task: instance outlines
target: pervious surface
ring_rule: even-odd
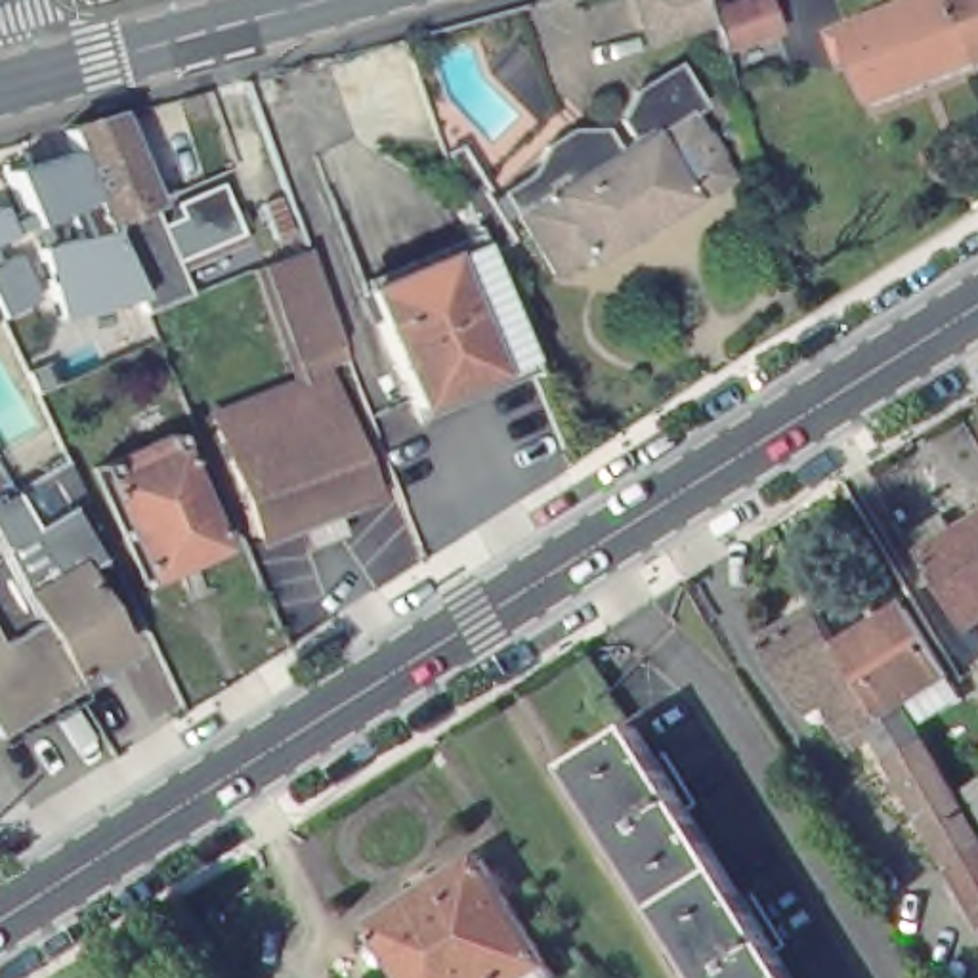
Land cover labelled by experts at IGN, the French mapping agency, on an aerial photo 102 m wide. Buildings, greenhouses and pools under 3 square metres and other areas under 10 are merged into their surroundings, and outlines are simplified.
[[[457,861],[481,860],[481,848],[493,837],[508,833],[493,814],[474,833],[458,833],[447,852],[428,852],[420,844],[405,875],[393,882],[393,890],[367,894],[351,909],[325,909],[313,894],[309,875],[298,863],[294,829],[271,840],[267,848],[283,898],[294,913],[294,932],[287,940],[283,967],[271,978],[367,978],[359,951],[371,947],[367,921]]]
[[[959,630],[940,607],[940,600],[928,588],[921,588],[913,565],[917,531],[902,520],[894,523],[877,489],[867,485],[856,481],[848,497],[833,500],[844,516],[856,516],[848,531],[852,539],[871,542],[879,562],[898,579],[898,592],[890,604],[913,619],[917,634],[940,661],[944,680],[955,695],[970,695],[978,703],[978,627]]]
[[[0,149],[0,180],[15,168],[31,172],[34,164],[69,157],[69,138],[42,134],[34,149]]]
[[[65,298],[61,264],[53,248],[107,237],[103,210],[84,214],[80,225],[50,229],[27,218],[27,229],[19,229],[8,241],[11,248],[34,248],[46,264],[46,309],[57,317],[53,344],[61,355],[80,359],[115,351],[149,340],[157,332],[153,317],[153,302],[138,302],[118,317],[76,317]]]
[[[638,267],[680,271],[688,279],[688,317],[699,325],[691,336],[691,355],[707,355],[711,371],[730,367],[734,359],[726,351],[726,336],[734,336],[760,309],[779,306],[783,325],[806,313],[795,290],[776,287],[756,290],[730,313],[722,313],[718,302],[711,302],[699,287],[695,275],[703,267],[703,233],[734,202],[726,195],[711,195],[712,201],[707,204],[554,285],[585,290],[585,355],[611,371],[634,367],[638,355],[630,348],[611,348],[600,332],[604,298],[630,275]]]

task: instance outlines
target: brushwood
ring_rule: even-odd
[[[776,734],[776,730],[768,726],[768,718],[760,714],[760,707],[753,703],[753,695],[745,691],[745,684],[737,688],[737,695],[741,695],[741,703],[745,703],[749,718],[756,722],[756,730],[760,730],[760,737],[764,737],[764,745],[772,749],[772,756],[776,756],[776,760],[779,760],[779,749],[783,749],[779,734]]]
[[[428,768],[428,749],[393,764],[390,772],[382,772],[378,779],[371,779],[367,787],[359,787],[355,795],[340,798],[321,814],[329,829],[340,829],[359,806],[393,791],[413,772]]]
[[[535,691],[573,672],[585,691],[592,730],[604,730],[623,718],[585,642],[550,665],[539,661],[535,672],[520,672],[523,680],[512,695],[531,699]]]
[[[542,264],[523,245],[516,245],[504,256],[504,267],[523,302],[531,294],[542,294],[550,283]]]
[[[554,416],[565,428],[562,462],[573,466],[607,439],[577,420],[569,390],[550,374],[546,386]]]
[[[520,46],[542,88],[523,103],[535,115],[546,118],[562,111],[562,92],[550,76],[535,15],[523,23]]]
[[[745,99],[753,99],[756,80],[764,80],[776,69],[783,73],[783,80],[798,84],[814,69],[806,57],[776,53],[760,61],[741,61],[741,53],[722,50],[714,34],[691,34],[676,50],[676,57],[691,61],[707,76],[718,111],[722,111],[722,118],[726,118],[726,126],[730,126],[730,134],[734,134],[734,141],[737,141],[737,153],[741,153],[741,157],[760,157],[760,149],[745,107]]]

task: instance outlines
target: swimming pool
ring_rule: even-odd
[[[470,122],[478,122],[481,134],[504,134],[520,103],[489,76],[489,69],[478,69],[470,42],[447,53],[439,65],[443,92],[462,107]]]
[[[73,382],[92,371],[111,371],[111,363],[118,359],[115,351],[80,359],[61,355],[57,355],[57,382]]]
[[[31,413],[15,386],[0,386],[0,439],[8,447],[11,439],[27,436]]]

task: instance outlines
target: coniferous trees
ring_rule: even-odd
[[[844,630],[860,627],[867,607],[890,604],[898,592],[898,579],[879,562],[871,542],[852,539],[848,531],[837,531],[829,520],[818,527],[814,550],[802,554],[798,569],[810,585],[802,596],[810,600],[806,607],[814,611],[814,619],[829,615]]]

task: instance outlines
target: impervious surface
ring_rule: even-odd
[[[833,19],[848,15],[860,0],[776,0],[783,11],[783,46],[776,53],[806,57],[814,69],[829,65],[821,50],[821,31]]]
[[[149,630],[149,588],[141,585],[130,554],[113,560],[111,569],[103,573],[103,585],[122,600],[130,623],[138,630]]]
[[[562,772],[546,772],[546,787],[565,810],[577,840],[585,844],[607,886],[619,894],[623,909],[630,913],[646,951],[653,955],[665,978],[684,978],[676,955],[665,951],[661,936],[649,925],[649,909],[657,905],[653,894],[634,898],[619,882],[615,867],[581,821],[577,806],[569,802]]]
[[[31,470],[65,447],[46,409],[46,393],[42,378],[27,363],[11,332],[11,321],[23,317],[8,306],[0,309],[0,386],[15,386],[31,413],[27,436],[11,439],[8,447],[0,439],[0,451],[19,470]]]
[[[382,138],[428,141],[436,134],[458,141],[466,134],[481,134],[478,122],[470,122],[462,107],[443,92],[443,99],[428,99],[420,84],[420,65],[413,61],[409,46],[436,42],[447,53],[470,42],[478,69],[489,69],[489,76],[520,103],[504,134],[481,134],[481,145],[493,160],[535,115],[523,103],[542,88],[520,46],[523,23],[535,15],[550,76],[562,92],[562,111],[546,118],[539,141],[531,141],[516,160],[500,168],[500,180],[512,180],[527,164],[550,160],[558,134],[569,122],[581,118],[585,126],[596,126],[592,118],[585,118],[588,96],[607,80],[623,80],[627,92],[646,92],[649,69],[665,53],[665,46],[649,31],[634,31],[627,23],[627,8],[634,0],[0,0],[0,149],[34,149],[42,134],[69,138],[76,126],[111,115],[134,115],[145,149],[157,164],[157,176],[168,191],[180,191],[187,199],[210,183],[233,183],[237,199],[245,199],[248,191],[233,164],[218,172],[199,168],[180,103],[210,96],[222,84],[248,80],[264,126],[271,134],[275,157],[283,164],[283,176],[294,191],[294,202],[309,241],[315,256],[340,329],[348,344],[359,344],[359,359],[351,359],[348,371],[367,420],[386,420],[390,481],[382,481],[374,485],[374,504],[348,520],[348,539],[340,542],[264,546],[248,527],[237,535],[248,546],[252,562],[260,588],[290,638],[290,649],[252,669],[241,684],[191,707],[187,718],[164,718],[149,737],[126,745],[126,707],[111,688],[103,688],[92,695],[65,699],[50,714],[27,722],[15,741],[0,737],[0,978],[99,978],[84,955],[73,951],[80,944],[80,905],[92,898],[122,898],[130,905],[145,905],[149,898],[168,902],[172,894],[183,894],[202,879],[222,875],[229,863],[256,860],[267,848],[271,840],[294,829],[321,814],[340,798],[355,795],[359,787],[367,787],[371,779],[378,779],[382,772],[390,772],[393,764],[428,749],[470,714],[478,722],[489,722],[500,711],[508,714],[508,726],[527,760],[539,772],[546,772],[546,760],[562,749],[531,699],[512,695],[523,680],[520,672],[535,672],[539,661],[550,665],[585,642],[623,718],[623,726],[634,734],[638,756],[669,787],[684,833],[718,871],[718,882],[741,913],[741,921],[753,925],[756,944],[768,955],[776,978],[898,978],[886,940],[837,902],[825,867],[795,852],[787,821],[776,810],[768,810],[764,772],[776,760],[776,756],[772,756],[772,749],[764,745],[764,737],[760,737],[760,730],[756,730],[756,722],[749,718],[745,703],[741,703],[741,695],[737,695],[737,688],[745,684],[745,691],[753,695],[753,703],[760,707],[760,714],[768,718],[768,726],[776,730],[776,734],[779,734],[783,749],[818,776],[829,814],[844,825],[863,860],[886,879],[886,905],[898,913],[902,932],[913,936],[913,955],[932,978],[978,978],[978,925],[970,925],[967,909],[959,905],[947,882],[936,886],[921,871],[921,856],[909,852],[905,840],[905,814],[875,802],[875,795],[867,791],[871,776],[863,772],[863,756],[840,753],[829,737],[814,730],[821,726],[821,711],[806,711],[806,726],[787,730],[768,691],[756,684],[779,657],[756,646],[756,630],[749,627],[749,619],[749,604],[756,600],[756,592],[741,577],[745,546],[760,531],[776,523],[795,523],[814,504],[833,500],[848,497],[856,481],[867,485],[871,462],[902,451],[905,443],[917,447],[917,481],[928,485],[932,497],[932,516],[921,523],[921,531],[928,539],[944,535],[944,523],[955,523],[963,508],[978,508],[978,481],[959,470],[959,462],[947,455],[940,439],[928,439],[928,432],[963,409],[978,413],[978,202],[970,202],[963,218],[940,229],[905,256],[890,260],[886,267],[871,271],[867,279],[844,290],[806,313],[783,325],[760,336],[741,359],[734,359],[730,367],[711,371],[661,401],[649,416],[634,420],[630,428],[607,439],[573,466],[562,462],[565,428],[554,416],[546,386],[550,374],[542,359],[523,374],[520,386],[497,397],[462,397],[458,405],[436,416],[428,393],[409,401],[401,393],[401,378],[390,367],[378,340],[374,290],[386,279],[405,279],[447,256],[478,252],[470,229],[458,222],[436,210],[436,199],[413,180],[409,164],[378,149]],[[798,363],[776,378],[764,378],[760,359],[783,344],[798,344]],[[898,436],[886,439],[875,439],[867,428],[860,428],[875,405],[890,401],[894,393],[917,390],[928,405],[925,420],[905,424]],[[722,649],[711,657],[680,627],[680,607],[691,604],[703,611],[707,627],[722,642]],[[466,703],[451,703],[443,691],[455,669],[462,665],[485,669],[493,684]],[[367,745],[367,730],[390,718],[409,718],[413,737],[374,756]],[[202,856],[202,867],[195,875],[180,882],[164,882],[160,875],[153,875],[157,860],[195,844]]]

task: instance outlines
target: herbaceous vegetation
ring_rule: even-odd
[[[745,99],[745,107],[760,149],[779,145],[783,157],[814,180],[818,199],[806,210],[806,252],[814,260],[814,279],[840,283],[844,290],[867,279],[871,271],[886,267],[890,260],[905,256],[940,229],[928,214],[917,210],[917,195],[940,180],[940,164],[925,153],[940,141],[940,130],[947,122],[978,115],[978,73],[963,84],[925,92],[898,115],[867,115],[848,76],[829,65],[814,69],[798,84],[783,80],[783,73],[776,69],[764,80],[756,80],[753,99]]]
[[[546,978],[665,978],[653,955],[646,951],[630,913],[623,909],[619,894],[607,886],[585,844],[577,840],[565,810],[546,787],[546,772],[539,772],[527,760],[508,726],[508,714],[500,711],[489,722],[478,722],[470,714],[428,749],[428,768],[413,772],[393,791],[359,806],[340,829],[329,829],[321,814],[294,829],[298,863],[309,875],[313,894],[325,909],[351,909],[367,894],[393,890],[393,882],[405,875],[420,844],[428,852],[447,852],[458,833],[474,833],[493,814],[508,833],[493,837],[481,848],[481,860],[493,871],[497,890],[516,913],[539,963],[546,967]],[[539,932],[535,925],[546,898],[523,894],[527,867],[558,871],[558,882],[550,886],[550,894],[562,898],[558,932]]]
[[[233,978],[271,978],[283,967],[287,940],[294,932],[294,913],[283,898],[267,848],[256,860],[229,863],[222,875],[202,879],[183,894],[172,894],[168,902],[187,913],[199,913],[214,928],[214,944],[225,951]]]
[[[554,285],[550,283],[542,294],[531,294],[523,302],[542,359],[550,374],[569,390],[577,420],[607,439],[630,428],[634,420],[649,416],[661,401],[634,367],[611,371],[585,355],[585,290]]]
[[[680,627],[711,657],[722,649],[722,642],[707,627],[703,611],[691,604],[680,607]]]
[[[925,718],[921,741],[947,787],[967,787],[978,776],[978,703],[970,695],[955,695],[951,707]]]
[[[749,619],[772,623],[779,619],[791,596],[802,596],[810,585],[798,569],[802,554],[814,550],[818,527],[829,520],[837,531],[848,531],[856,516],[844,516],[833,500],[814,504],[795,523],[776,523],[760,531],[745,546],[741,577],[756,592],[756,600],[749,604]]]
[[[726,336],[726,351],[734,359],[741,359],[760,336],[783,325],[779,306],[760,309],[734,336]]]
[[[649,290],[672,309],[676,332],[691,336],[699,325],[688,317],[688,279],[680,271],[638,267],[630,275],[634,287]]]
[[[588,737],[592,730],[585,691],[573,672],[535,691],[531,699],[562,749]]]
[[[493,160],[500,168],[516,160],[531,141],[539,141],[546,118],[535,115]]]
[[[164,390],[153,397],[153,405],[141,409],[130,397],[126,405],[111,409],[99,424],[73,420],[73,409],[80,401],[103,397],[103,378],[111,371],[92,371],[73,382],[57,382],[46,393],[46,409],[65,447],[80,493],[92,493],[92,470],[122,466],[153,443],[191,436],[206,466],[210,489],[222,504],[225,527],[237,535],[248,527],[245,504],[218,451],[210,416],[248,397],[290,386],[294,374],[283,367],[279,348],[271,340],[271,321],[260,302],[256,275],[302,256],[315,256],[309,241],[279,241],[279,222],[267,191],[283,191],[283,202],[294,202],[294,191],[283,176],[283,164],[275,157],[271,134],[264,126],[248,80],[222,84],[210,96],[180,103],[199,168],[218,172],[233,164],[248,191],[245,199],[237,199],[248,222],[248,241],[237,252],[229,252],[233,267],[218,271],[214,260],[180,267],[180,287],[191,298],[180,298],[153,317],[157,332],[149,340],[115,351],[118,359],[111,363],[111,371],[164,374]]]
[[[905,443],[902,451],[871,462],[867,485],[877,489],[894,523],[902,520],[917,531],[921,531],[921,523],[932,516],[932,497],[928,485],[917,481],[917,447]]]
[[[730,134],[730,126],[726,126],[726,118],[722,118],[722,111],[718,111],[714,111],[714,115],[707,115],[707,130],[714,134],[718,149],[726,153],[726,164],[734,168],[737,168],[737,160],[741,160],[741,157],[741,153],[737,153],[737,141],[734,141],[734,134]]]
[[[959,462],[959,470],[978,481],[978,413],[963,409],[928,432],[928,439],[940,439],[947,455]]]
[[[290,649],[290,638],[260,588],[252,562],[225,558],[187,577],[183,585],[149,588],[149,630],[180,684],[183,703],[191,707],[241,684],[252,669]]]
[[[382,481],[390,481],[386,420],[367,420],[348,371],[336,367],[336,386],[363,439],[374,451]]]

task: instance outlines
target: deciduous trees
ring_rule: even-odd
[[[546,898],[535,925],[539,932],[558,932],[562,898],[550,894],[550,886],[558,882],[558,871],[527,867],[523,894]]]
[[[409,718],[390,718],[367,730],[367,745],[374,756],[413,737]]]
[[[157,860],[153,875],[160,875],[164,882],[180,882],[195,875],[202,867],[202,856],[195,844]]]
[[[928,214],[940,229],[963,218],[970,202],[978,202],[978,115],[947,122],[940,130],[940,141],[925,153],[940,164],[940,180],[917,195],[917,210]]]
[[[168,902],[149,898],[145,905],[130,905],[122,898],[92,898],[80,905],[80,944],[73,951],[84,955],[99,978],[233,978],[225,951],[214,944],[214,928],[199,913],[187,913]]]
[[[378,149],[409,164],[413,180],[436,199],[436,210],[458,222],[458,210],[470,206],[470,191],[478,191],[478,180],[466,168],[466,160],[443,157],[428,141],[382,138]]]
[[[585,118],[592,118],[596,126],[611,126],[623,118],[627,92],[623,80],[607,80],[588,96]]]
[[[860,428],[867,428],[875,439],[886,439],[898,436],[905,424],[925,420],[928,405],[917,390],[894,393],[890,401],[875,405]]]
[[[741,160],[737,160],[737,168],[734,168],[734,202],[703,233],[703,267],[695,275],[699,287],[711,302],[718,302],[722,313],[730,313],[756,290],[776,287],[795,290],[806,313],[844,290],[840,283],[814,279],[814,260],[806,252],[806,210],[818,199],[814,180],[783,157],[779,145],[760,149],[760,157],[741,157]]]
[[[455,669],[443,691],[451,703],[466,703],[493,684],[485,669],[462,665]]]
[[[779,749],[779,760],[776,760],[764,772],[768,810],[776,810],[787,821],[795,852],[825,867],[837,902],[886,940],[898,978],[932,978],[913,955],[913,936],[902,932],[898,913],[886,905],[886,879],[863,860],[844,825],[829,814],[818,776],[783,749]]]
[[[443,92],[439,65],[447,53],[436,42],[409,46],[413,61],[420,65],[420,84],[428,99],[443,99]]]
[[[760,359],[764,378],[776,378],[798,363],[798,344],[783,344]]]
[[[11,332],[27,363],[38,355],[57,355],[61,355],[53,344],[57,317],[46,309],[23,317],[11,321]]]
[[[80,401],[73,409],[73,420],[99,424],[111,409],[126,405],[130,397],[141,409],[153,405],[153,397],[164,390],[164,374],[111,371],[103,378],[103,397]]]
[[[600,332],[611,348],[630,348],[638,355],[634,367],[661,401],[711,371],[707,355],[691,355],[691,336],[676,332],[672,309],[649,290],[634,287],[630,275],[604,298]]]

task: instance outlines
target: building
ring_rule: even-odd
[[[768,955],[756,944],[753,925],[741,921],[741,913],[718,882],[718,871],[684,833],[669,787],[638,756],[634,734],[623,726],[623,718],[604,730],[592,730],[588,737],[562,749],[546,760],[546,772],[562,772],[569,802],[577,806],[581,821],[615,867],[619,882],[634,898],[653,894],[657,905],[649,909],[649,925],[661,936],[665,951],[676,955],[684,978],[776,978]]]
[[[959,905],[967,909],[970,925],[978,925],[978,776],[967,787],[947,787],[921,741],[925,718],[951,707],[955,695],[944,680],[940,661],[917,634],[913,619],[890,604],[867,607],[860,627],[844,630],[829,615],[814,619],[814,611],[806,607],[810,600],[802,596],[791,596],[779,619],[772,623],[749,619],[749,627],[756,630],[756,646],[779,657],[756,684],[768,691],[787,730],[806,726],[806,711],[821,711],[821,726],[814,730],[829,737],[840,753],[863,756],[863,772],[871,776],[867,791],[875,795],[875,802],[905,814],[905,840],[909,852],[921,856],[921,871],[936,886],[947,882]]]
[[[546,978],[546,967],[539,963],[516,913],[497,890],[493,871],[481,860],[457,861],[367,921],[371,947],[359,951],[367,978]]]
[[[57,355],[38,355],[27,363],[42,378],[46,393],[57,382]]]
[[[478,252],[447,256],[405,279],[386,279],[374,290],[378,340],[390,367],[401,378],[401,393],[409,401],[428,393],[436,416],[458,405],[462,397],[497,397],[520,386],[523,374],[542,359],[523,302],[504,267],[504,256],[516,245],[523,245],[542,264],[550,283],[554,285],[707,204],[712,201],[711,195],[726,195],[734,202],[734,168],[726,164],[726,153],[718,149],[714,134],[707,130],[707,115],[714,115],[714,111],[718,111],[707,76],[691,61],[676,57],[676,50],[691,34],[714,34],[722,50],[741,53],[741,61],[760,61],[776,53],[783,46],[783,11],[776,0],[634,0],[627,8],[627,23],[634,31],[649,31],[665,46],[665,53],[649,69],[646,92],[627,92],[623,118],[611,126],[596,126],[585,126],[581,118],[569,122],[558,134],[550,160],[527,164],[512,180],[500,180],[500,168],[493,160],[481,145],[481,134],[466,134],[458,141],[436,134],[428,141],[443,157],[466,160],[466,168],[478,180],[478,191],[470,191],[470,206],[458,210],[458,222],[470,229]]]
[[[248,241],[248,222],[237,199],[233,183],[210,183],[187,199],[180,191],[168,191],[157,176],[157,164],[145,149],[134,115],[111,115],[76,126],[69,138],[69,157],[34,164],[31,172],[15,168],[0,180],[0,309],[8,306],[23,317],[46,309],[46,264],[34,248],[11,248],[8,241],[19,229],[27,229],[27,218],[50,229],[80,225],[84,214],[103,210],[107,237],[53,248],[61,264],[65,298],[76,317],[118,317],[138,302],[153,302],[153,317],[180,298],[191,298],[180,287],[180,267],[214,260],[218,271],[233,267],[229,252],[237,252]]]
[[[963,84],[978,73],[978,0],[860,0],[848,15],[833,19],[821,31],[821,50],[829,65],[848,76],[867,115],[898,115],[925,92]]]
[[[340,329],[315,256],[302,256],[256,275],[260,302],[271,321],[271,340],[279,348],[283,367],[294,374],[290,386],[248,397],[210,416],[218,451],[245,504],[248,527],[264,546],[340,542],[348,539],[348,520],[374,504],[374,485],[382,481],[374,451],[363,439],[336,386],[336,367],[348,371],[351,359],[359,359],[359,344],[348,344]]]
[[[959,630],[978,627],[978,508],[963,508],[955,523],[944,523],[944,535],[928,539],[921,531],[917,531],[913,565],[921,588],[928,588],[940,600],[940,607]]]
[[[19,470],[0,451],[0,737],[15,741],[27,722],[50,714],[65,699],[92,695],[103,688],[111,688],[126,707],[126,745],[149,737],[164,718],[187,718],[191,707],[183,703],[180,684],[149,630],[138,630],[130,623],[122,600],[103,585],[103,573],[111,569],[113,560],[130,554],[141,585],[149,588],[183,585],[187,577],[225,558],[252,562],[248,546],[237,535],[225,527],[222,504],[210,489],[206,466],[191,436],[153,443],[122,466],[92,470],[92,493],[80,493],[65,447],[31,470]]]
[[[309,241],[294,202],[283,202],[283,191],[267,191],[279,222],[279,241]]]

